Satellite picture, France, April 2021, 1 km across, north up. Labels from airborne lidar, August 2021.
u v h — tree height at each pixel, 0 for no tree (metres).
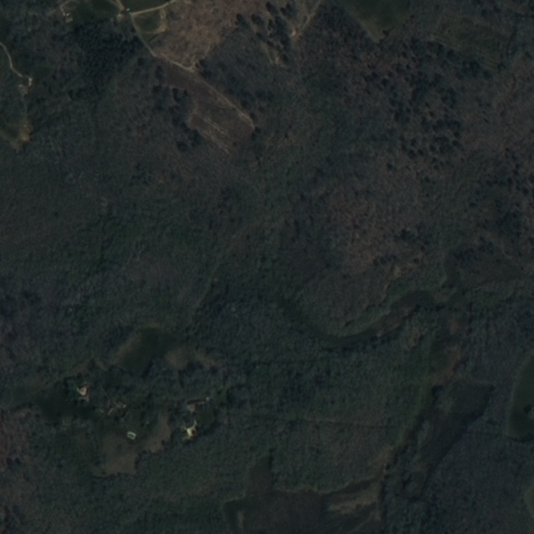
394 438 23
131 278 14
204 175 13
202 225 9
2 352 20
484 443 19
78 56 16
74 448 6
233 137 0
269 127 12
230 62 21
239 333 21
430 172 13
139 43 21
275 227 15
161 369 17
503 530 12
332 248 19
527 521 16
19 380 13
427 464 0
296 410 19
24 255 17
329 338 8
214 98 0
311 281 12
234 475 20
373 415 19
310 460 19
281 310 18
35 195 11
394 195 9
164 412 0
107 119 17
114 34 17
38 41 18
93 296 12
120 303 18
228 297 12
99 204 23
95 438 10
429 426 30
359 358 24
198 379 25
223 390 6
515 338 19
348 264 9
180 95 16
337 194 7
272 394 22
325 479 19
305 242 11
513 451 13
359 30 11
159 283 14
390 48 8
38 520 18
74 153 22
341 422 13
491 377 14
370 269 15
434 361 0
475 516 11
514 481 16
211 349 12
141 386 20
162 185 9
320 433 14
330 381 20
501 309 10
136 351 0
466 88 17
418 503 19
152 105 14
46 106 19
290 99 20
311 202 14
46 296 16
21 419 9
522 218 21
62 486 17
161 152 17
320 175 13
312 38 7
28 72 6
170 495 15
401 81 5
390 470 17
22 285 19
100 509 25
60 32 16
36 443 17
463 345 7
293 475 20
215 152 18
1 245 12
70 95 6
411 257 12
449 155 24
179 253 18
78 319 17
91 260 19
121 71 13
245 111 23
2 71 12
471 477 13
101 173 22
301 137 14
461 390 0
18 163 18
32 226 10
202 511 20
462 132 23
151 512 24
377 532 0
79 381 12
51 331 14
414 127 17
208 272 19
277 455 23
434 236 22
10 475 17
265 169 20
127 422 19
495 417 12
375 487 0
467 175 9
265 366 19
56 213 11
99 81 22
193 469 19
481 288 12
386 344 12
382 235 8
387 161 14
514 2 24
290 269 7
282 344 24
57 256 21
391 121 13
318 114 21
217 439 31
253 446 27
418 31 8
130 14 9
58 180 18
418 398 19
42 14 14
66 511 21
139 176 11
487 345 12
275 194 17
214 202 12
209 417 0
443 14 11
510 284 15
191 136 22
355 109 16
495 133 9
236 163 13
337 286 14
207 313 10
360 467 14
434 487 12
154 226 21
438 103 12
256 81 22
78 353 25
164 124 14
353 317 13
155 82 17
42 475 18
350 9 0
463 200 11
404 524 13
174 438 17
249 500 0
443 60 19
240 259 6
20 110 20
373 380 17
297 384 27
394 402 21
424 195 11
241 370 16
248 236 9
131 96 16
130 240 22
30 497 20
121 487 26
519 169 14
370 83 21
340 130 18
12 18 14
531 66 15
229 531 18
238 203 11
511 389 12
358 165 17
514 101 13
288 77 17
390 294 10
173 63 0
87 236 20
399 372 15
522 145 10
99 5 0
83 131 16
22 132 0
